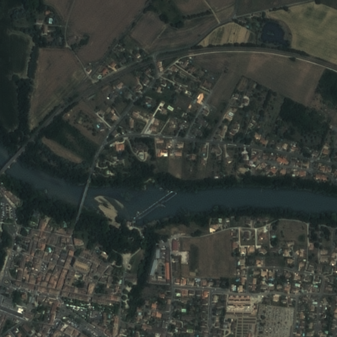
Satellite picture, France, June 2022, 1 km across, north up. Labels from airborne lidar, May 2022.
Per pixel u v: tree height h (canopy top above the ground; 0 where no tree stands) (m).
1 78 0
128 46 0
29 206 21
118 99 12
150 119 0
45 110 0
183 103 0
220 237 0
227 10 0
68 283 0
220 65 0
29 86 16
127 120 10
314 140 7
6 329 5
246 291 0
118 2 0
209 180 12
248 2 0
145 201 0
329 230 8
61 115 10
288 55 0
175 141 0
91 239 13
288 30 0
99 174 5
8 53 0
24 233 13
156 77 0
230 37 0
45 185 0
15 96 0
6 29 0
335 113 0
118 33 0
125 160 0
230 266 0
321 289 0
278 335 0
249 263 6
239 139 18
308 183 15
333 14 0
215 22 0
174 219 11
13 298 10
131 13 0
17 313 0
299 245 0
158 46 0
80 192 0
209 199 0
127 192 0
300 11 0
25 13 28
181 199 0
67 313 0
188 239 0
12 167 0
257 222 6
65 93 0
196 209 0
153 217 0
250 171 9
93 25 0
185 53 0
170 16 0
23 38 0
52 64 0
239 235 0
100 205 0
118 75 0
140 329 7
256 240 0
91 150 7
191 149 7
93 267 0
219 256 0
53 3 0
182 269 0
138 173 9
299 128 6
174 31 0
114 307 9
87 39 7
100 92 0
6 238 15
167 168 0
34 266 0
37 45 12
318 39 0
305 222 16
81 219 21
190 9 0
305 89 0
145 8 10
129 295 13
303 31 0
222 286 8
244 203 0
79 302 8
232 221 0
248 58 0
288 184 14
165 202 0
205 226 7
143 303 12
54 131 13
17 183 13
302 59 0
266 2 0
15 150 10
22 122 12
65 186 0
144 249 19
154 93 0
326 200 0
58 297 0
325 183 8
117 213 0
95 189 0
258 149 0
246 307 0
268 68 0
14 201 0
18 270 0
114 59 0
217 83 0
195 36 0
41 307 6
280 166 0
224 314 7
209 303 0
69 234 0
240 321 0
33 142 11
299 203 0
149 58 7
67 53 0
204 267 0
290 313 0
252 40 0
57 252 0
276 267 0
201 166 0
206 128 5
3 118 0
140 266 12
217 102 0
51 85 0
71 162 7
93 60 0
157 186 10
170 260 0
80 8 0
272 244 10
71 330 0
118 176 11
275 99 8
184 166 0
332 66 0
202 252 0
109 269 0
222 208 30
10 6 0
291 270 0
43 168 13
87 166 17
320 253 0
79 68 0
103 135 0
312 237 10
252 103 10
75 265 0
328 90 9
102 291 9
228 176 5
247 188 0
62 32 8
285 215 17
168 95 0
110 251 10
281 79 0
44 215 7
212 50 0
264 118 15
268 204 0
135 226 0
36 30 12
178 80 0
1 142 20
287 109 7
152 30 0
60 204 33
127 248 11
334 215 17
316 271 6
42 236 0
